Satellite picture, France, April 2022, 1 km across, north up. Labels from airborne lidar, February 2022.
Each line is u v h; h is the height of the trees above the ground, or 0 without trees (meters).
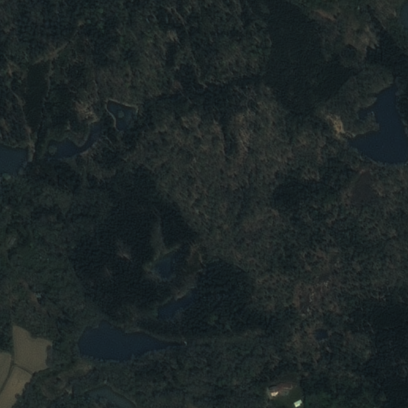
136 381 9
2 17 30
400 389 19
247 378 24
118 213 32
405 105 16
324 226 22
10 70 27
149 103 24
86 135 11
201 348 25
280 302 19
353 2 18
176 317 17
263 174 18
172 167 19
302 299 17
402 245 18
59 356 29
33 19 28
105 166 12
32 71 6
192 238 26
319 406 25
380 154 0
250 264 13
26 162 12
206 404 21
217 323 7
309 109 12
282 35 15
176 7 26
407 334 21
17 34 17
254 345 6
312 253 13
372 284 15
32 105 7
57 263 21
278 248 11
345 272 7
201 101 22
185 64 18
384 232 19
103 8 23
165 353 25
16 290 8
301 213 19
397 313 20
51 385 0
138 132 22
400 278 16
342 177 21
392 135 0
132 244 26
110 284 25
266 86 14
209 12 11
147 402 19
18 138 24
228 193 11
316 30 14
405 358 18
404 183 15
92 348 0
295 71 16
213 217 17
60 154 0
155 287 21
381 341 10
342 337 15
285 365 17
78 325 20
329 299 9
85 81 11
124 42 18
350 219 19
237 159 11
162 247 16
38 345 0
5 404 0
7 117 28
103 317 12
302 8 22
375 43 0
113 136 20
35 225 25
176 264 18
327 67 13
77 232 26
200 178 18
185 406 14
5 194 20
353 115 18
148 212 23
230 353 17
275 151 17
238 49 26
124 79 28
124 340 0
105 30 20
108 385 15
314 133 16
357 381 10
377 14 14
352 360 12
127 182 24
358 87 22
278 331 28
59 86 13
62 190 19
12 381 0
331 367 20
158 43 19
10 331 18
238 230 21
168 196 16
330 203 19
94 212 27
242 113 16
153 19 20
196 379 27
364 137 0
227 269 32
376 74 24
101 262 20
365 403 10
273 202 18
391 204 19
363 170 0
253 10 13
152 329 22
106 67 23
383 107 0
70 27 15
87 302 21
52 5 29
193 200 19
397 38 20
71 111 12
